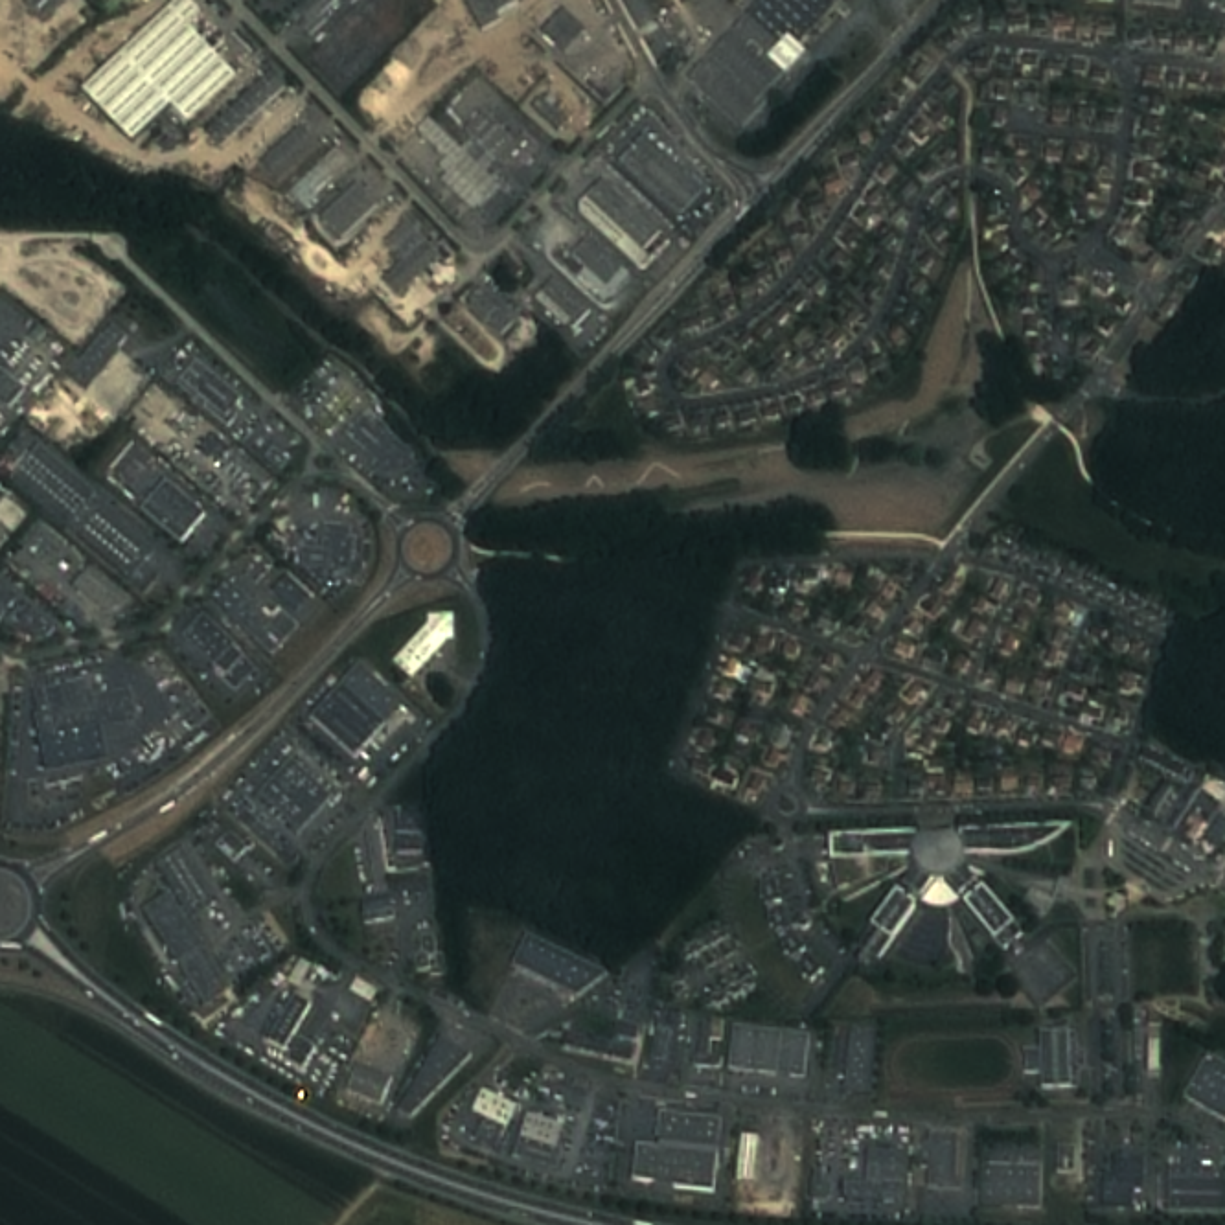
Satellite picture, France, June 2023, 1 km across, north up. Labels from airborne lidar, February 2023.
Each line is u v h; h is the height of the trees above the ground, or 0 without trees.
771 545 18
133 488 0
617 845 16
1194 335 14
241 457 0
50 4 0
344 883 0
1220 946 8
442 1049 0
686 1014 0
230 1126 0
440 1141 0
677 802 17
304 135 0
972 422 0
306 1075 0
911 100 0
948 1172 0
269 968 9
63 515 0
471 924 0
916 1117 0
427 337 0
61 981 0
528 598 20
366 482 0
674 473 0
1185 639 21
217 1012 0
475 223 0
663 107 0
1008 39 0
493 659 12
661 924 17
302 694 0
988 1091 0
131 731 0
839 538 0
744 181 0
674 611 18
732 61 0
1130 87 0
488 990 0
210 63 0
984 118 10
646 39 0
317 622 0
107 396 0
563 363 15
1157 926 9
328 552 0
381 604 0
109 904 0
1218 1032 0
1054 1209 0
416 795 0
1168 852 0
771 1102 0
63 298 0
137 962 0
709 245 0
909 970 0
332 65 0
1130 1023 10
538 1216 0
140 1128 0
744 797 0
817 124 0
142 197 13
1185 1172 0
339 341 9
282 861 0
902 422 0
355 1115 0
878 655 0
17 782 0
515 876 17
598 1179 0
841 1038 0
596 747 20
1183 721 18
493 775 19
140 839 0
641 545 22
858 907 0
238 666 0
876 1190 0
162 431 0
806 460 25
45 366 0
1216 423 19
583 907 17
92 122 0
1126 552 0
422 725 0
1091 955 0
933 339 0
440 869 16
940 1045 0
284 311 0
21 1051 0
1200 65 0
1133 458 18
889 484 0
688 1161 0
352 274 0
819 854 0
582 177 0
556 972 0
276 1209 0
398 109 0
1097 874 0
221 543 7
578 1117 0
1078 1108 0
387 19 0
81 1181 0
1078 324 10
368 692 0
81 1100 0
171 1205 0
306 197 0
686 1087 0
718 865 12
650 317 0
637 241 0
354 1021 0
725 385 0
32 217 13
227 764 0
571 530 24
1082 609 0
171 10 0
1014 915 17
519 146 0
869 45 0
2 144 22
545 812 18
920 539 0
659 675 21
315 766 0
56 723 0
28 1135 0
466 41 0
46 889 0
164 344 0
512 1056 0
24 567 0
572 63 0
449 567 0
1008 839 0
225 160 0
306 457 0
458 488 19
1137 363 10
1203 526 20
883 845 0
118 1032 0
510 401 18
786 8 0
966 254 0
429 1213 0
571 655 22
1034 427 0
